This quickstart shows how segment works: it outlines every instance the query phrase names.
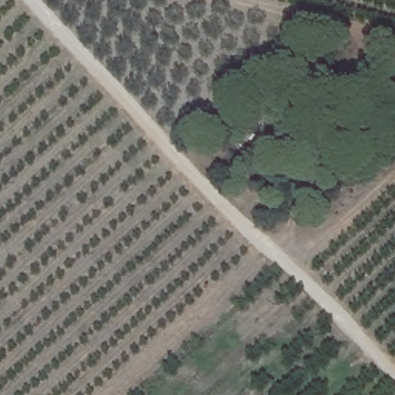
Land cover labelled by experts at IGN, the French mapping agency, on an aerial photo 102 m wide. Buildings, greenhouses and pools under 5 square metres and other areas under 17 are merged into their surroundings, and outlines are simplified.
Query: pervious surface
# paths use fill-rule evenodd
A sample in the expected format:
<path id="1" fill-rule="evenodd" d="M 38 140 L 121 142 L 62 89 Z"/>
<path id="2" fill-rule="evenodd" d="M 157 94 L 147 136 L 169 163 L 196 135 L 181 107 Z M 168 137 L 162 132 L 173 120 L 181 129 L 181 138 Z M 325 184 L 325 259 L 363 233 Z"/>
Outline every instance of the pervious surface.
<path id="1" fill-rule="evenodd" d="M 381 350 L 378 341 L 367 335 L 364 327 L 353 319 L 350 310 L 339 304 L 336 296 L 329 295 L 322 289 L 321 279 L 313 272 L 312 261 L 318 253 L 329 247 L 332 239 L 338 238 L 349 225 L 352 225 L 353 219 L 361 211 L 369 208 L 373 201 L 378 199 L 387 185 L 395 185 L 395 164 L 381 168 L 376 181 L 369 184 L 341 187 L 338 199 L 330 205 L 326 221 L 318 227 L 299 227 L 295 221 L 287 221 L 276 225 L 270 233 L 264 233 L 261 228 L 255 227 L 252 219 L 236 210 L 228 202 L 227 197 L 219 194 L 207 176 L 191 164 L 191 160 L 184 153 L 177 151 L 171 143 L 170 136 L 140 105 L 139 100 L 136 100 L 123 83 L 120 83 L 103 63 L 94 57 L 93 51 L 83 46 L 76 32 L 68 28 L 43 0 L 23 0 L 28 5 L 28 14 L 39 17 L 43 29 L 49 29 L 59 40 L 60 46 L 68 49 L 85 66 L 88 76 L 94 77 L 102 86 L 100 91 L 110 93 L 116 100 L 117 108 L 130 113 L 133 123 L 139 125 L 145 133 L 143 139 L 153 140 L 160 150 L 157 156 L 168 157 L 174 168 L 184 173 L 191 184 L 204 193 L 208 201 L 233 224 L 235 230 L 247 239 L 248 244 L 255 245 L 259 252 L 264 253 L 273 262 L 296 281 L 302 282 L 310 298 L 332 315 L 333 322 L 346 333 L 347 338 L 358 344 L 364 355 L 369 356 L 376 366 L 395 380 L 395 364 L 390 361 L 389 353 Z"/>
<path id="2" fill-rule="evenodd" d="M 272 11 L 272 0 L 228 0 L 231 8 L 239 11 L 259 8 L 265 12 Z"/>

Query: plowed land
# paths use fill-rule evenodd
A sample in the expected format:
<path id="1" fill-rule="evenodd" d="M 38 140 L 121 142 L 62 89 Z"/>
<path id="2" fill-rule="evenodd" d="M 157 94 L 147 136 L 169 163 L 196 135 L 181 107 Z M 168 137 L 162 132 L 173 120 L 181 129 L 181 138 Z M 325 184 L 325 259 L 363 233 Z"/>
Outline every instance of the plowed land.
<path id="1" fill-rule="evenodd" d="M 128 390 L 134 389 L 140 381 L 150 378 L 154 370 L 162 366 L 160 361 L 167 358 L 167 353 L 170 350 L 176 352 L 177 347 L 181 346 L 182 341 L 191 335 L 191 332 L 202 332 L 210 324 L 218 322 L 221 313 L 228 312 L 233 307 L 231 296 L 242 295 L 244 282 L 253 281 L 264 265 L 273 262 L 264 253 L 259 252 L 255 245 L 248 244 L 247 239 L 235 230 L 230 241 L 219 247 L 218 252 L 214 253 L 205 265 L 197 268 L 197 272 L 179 289 L 174 290 L 167 301 L 151 310 L 150 315 L 119 339 L 116 346 L 100 356 L 96 366 L 80 372 L 79 378 L 62 395 L 88 395 L 86 386 L 94 383 L 94 378 L 102 375 L 106 367 L 113 366 L 113 361 L 120 358 L 122 352 L 128 355 L 127 363 L 120 366 L 102 386 L 94 389 L 91 395 L 127 395 Z M 193 304 L 185 307 L 182 315 L 176 316 L 173 322 L 160 329 L 145 346 L 140 347 L 139 353 L 134 353 L 131 344 L 139 341 L 140 336 L 148 332 L 148 327 L 156 326 L 157 321 L 165 316 L 168 310 L 176 309 L 176 304 L 184 301 L 185 295 L 194 287 L 201 287 L 202 295 L 194 299 Z"/>
<path id="2" fill-rule="evenodd" d="M 6 26 L 14 23 L 20 12 L 12 6 L 0 19 L 0 34 L 5 32 Z"/>
<path id="3" fill-rule="evenodd" d="M 94 321 L 114 306 L 130 287 L 139 284 L 142 276 L 148 275 L 153 268 L 160 267 L 160 262 L 174 253 L 182 241 L 193 235 L 194 230 L 201 228 L 202 222 L 207 221 L 211 214 L 204 205 L 201 211 L 196 211 L 193 204 L 185 207 L 176 201 L 167 213 L 160 214 L 159 219 L 140 233 L 139 238 L 123 247 L 122 253 L 113 255 L 111 262 L 105 264 L 83 289 L 71 296 L 57 312 L 51 313 L 48 319 L 40 322 L 39 327 L 34 327 L 32 335 L 14 350 L 6 353 L 5 360 L 0 363 L 0 376 L 5 375 L 6 370 L 22 360 L 28 350 L 46 338 L 49 332 L 57 330 L 57 326 L 65 321 L 69 313 L 91 299 L 91 295 L 99 287 L 113 279 L 114 273 L 119 272 L 133 256 L 140 255 L 143 248 L 148 247 L 165 227 L 176 221 L 184 211 L 191 214 L 184 227 L 174 231 L 167 241 L 162 242 L 147 261 L 143 261 L 133 272 L 123 276 L 119 284 L 114 285 L 113 290 L 106 293 L 105 298 L 99 299 L 94 306 L 89 307 L 60 338 L 56 339 L 56 343 L 45 347 L 28 366 L 23 367 L 19 375 L 15 375 L 14 380 L 8 381 L 0 390 L 0 395 L 14 395 L 15 390 L 22 389 L 23 383 L 37 375 L 45 364 L 51 363 L 52 358 L 59 355 L 68 344 L 79 341 L 80 333 L 93 326 Z"/>
<path id="4" fill-rule="evenodd" d="M 131 131 L 113 147 L 108 143 L 108 137 L 116 133 L 122 123 L 130 123 Z M 23 197 L 20 205 L 6 213 L 5 218 L 0 221 L 0 233 L 19 221 L 20 216 L 28 213 L 35 202 L 45 199 L 46 191 L 60 184 L 69 171 L 77 165 L 85 168 L 85 173 L 74 177 L 73 184 L 63 188 L 56 199 L 52 199 L 35 214 L 34 219 L 26 222 L 9 241 L 0 245 L 0 347 L 22 332 L 26 324 L 35 321 L 43 307 L 48 307 L 52 301 L 59 299 L 60 293 L 69 289 L 74 279 L 88 275 L 89 267 L 97 265 L 100 256 L 105 255 L 119 239 L 127 236 L 128 231 L 136 228 L 140 222 L 147 221 L 151 211 L 162 207 L 164 202 L 170 199 L 170 194 L 176 188 L 168 181 L 157 188 L 154 196 L 148 197 L 145 204 L 137 202 L 137 197 L 143 191 L 156 184 L 159 176 L 156 173 L 143 174 L 142 179 L 137 184 L 130 185 L 127 191 L 120 190 L 120 184 L 128 176 L 136 173 L 136 170 L 145 171 L 145 160 L 154 156 L 153 151 L 145 145 L 130 162 L 123 160 L 123 151 L 127 151 L 131 145 L 137 143 L 137 140 L 143 139 L 145 133 L 139 125 L 133 123 L 130 113 L 117 108 L 117 116 L 106 122 L 99 133 L 86 140 L 83 147 L 77 150 L 73 147 L 66 148 L 71 157 L 66 159 L 60 156 L 57 159 L 57 170 L 52 171 L 45 181 L 40 182 L 39 187 L 32 190 L 29 196 Z M 116 162 L 119 162 L 120 170 L 105 184 L 99 185 L 97 191 L 91 191 L 91 182 L 99 179 L 100 174 L 105 173 Z M 42 225 L 48 225 L 49 233 L 29 252 L 26 250 L 25 241 L 34 238 L 35 231 Z M 54 281 L 37 301 L 23 309 L 20 306 L 22 299 L 29 298 L 31 290 L 40 282 L 46 281 L 51 273 L 56 273 L 57 268 L 65 273 L 63 278 Z"/>
<path id="5" fill-rule="evenodd" d="M 15 122 L 11 122 L 9 113 L 17 110 L 20 103 L 31 96 L 37 86 L 54 76 L 57 69 L 62 69 L 63 79 L 28 106 L 25 113 L 20 114 Z M 20 157 L 25 156 L 32 148 L 39 147 L 39 143 L 49 136 L 51 131 L 56 130 L 62 120 L 73 117 L 74 123 L 80 122 L 80 117 L 85 113 L 80 110 L 80 105 L 88 100 L 91 94 L 100 91 L 102 86 L 94 77 L 88 76 L 85 66 L 68 49 L 60 46 L 59 56 L 49 59 L 49 62 L 37 69 L 14 94 L 0 102 L 0 179 L 11 170 L 12 165 L 17 165 Z"/>
<path id="6" fill-rule="evenodd" d="M 140 309 L 151 302 L 151 299 L 159 296 L 160 290 L 167 289 L 167 285 L 173 279 L 179 278 L 182 272 L 190 267 L 191 262 L 197 261 L 214 241 L 225 235 L 227 228 L 216 221 L 216 225 L 207 235 L 202 236 L 201 241 L 185 250 L 181 258 L 176 259 L 168 267 L 168 272 L 162 273 L 153 284 L 145 285 L 131 299 L 130 306 L 123 307 L 102 329 L 89 335 L 88 343 L 74 350 L 57 369 L 49 373 L 46 380 L 40 381 L 39 386 L 32 387 L 25 395 L 48 395 L 57 384 L 65 380 L 68 373 L 80 367 L 80 363 L 88 358 L 89 353 L 100 349 L 103 341 L 110 339 L 123 324 L 130 322 Z"/>

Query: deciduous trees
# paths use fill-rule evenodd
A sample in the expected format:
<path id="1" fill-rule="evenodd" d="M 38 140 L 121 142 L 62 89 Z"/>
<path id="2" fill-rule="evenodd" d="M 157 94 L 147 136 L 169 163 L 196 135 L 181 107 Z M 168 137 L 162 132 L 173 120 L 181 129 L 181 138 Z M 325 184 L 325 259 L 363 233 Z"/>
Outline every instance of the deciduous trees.
<path id="1" fill-rule="evenodd" d="M 20 12 L 14 23 L 6 26 L 5 32 L 0 34 L 0 102 L 14 94 L 37 69 L 49 62 L 49 59 L 59 56 L 60 46 L 59 40 L 49 29 L 43 29 L 39 17 L 28 14 L 28 5 L 23 0 L 0 0 L 0 19 L 12 6 Z"/>
<path id="2" fill-rule="evenodd" d="M 91 295 L 91 299 L 69 313 L 65 321 L 57 326 L 57 330 L 49 332 L 46 338 L 28 350 L 22 360 L 6 370 L 5 375 L 0 376 L 0 390 L 8 381 L 14 380 L 15 375 L 19 375 L 23 367 L 28 366 L 45 347 L 56 343 L 56 339 L 60 338 L 89 307 L 94 306 L 99 299 L 105 298 L 106 293 L 113 290 L 114 285 L 119 284 L 123 276 L 133 272 L 143 261 L 147 261 L 162 242 L 167 241 L 174 231 L 184 227 L 191 214 L 184 211 L 176 221 L 165 227 L 148 247 L 143 248 L 140 255 L 133 256 L 119 272 L 114 273 L 113 279 L 99 287 Z"/>
<path id="3" fill-rule="evenodd" d="M 140 336 L 139 341 L 131 344 L 134 353 L 139 353 L 140 347 L 145 346 L 160 329 L 173 322 L 176 316 L 182 315 L 185 307 L 193 304 L 194 299 L 202 295 L 201 287 L 194 287 L 185 295 L 184 301 L 176 304 L 176 309 L 168 310 L 165 316 L 157 321 L 156 326 L 148 327 L 148 332 Z"/>
<path id="4" fill-rule="evenodd" d="M 29 252 L 49 233 L 48 225 L 42 225 L 35 231 L 34 238 L 25 241 L 26 250 Z"/>
<path id="5" fill-rule="evenodd" d="M 73 184 L 74 177 L 85 173 L 85 168 L 77 165 L 69 171 L 60 184 L 46 191 L 45 199 L 35 202 L 28 213 L 20 216 L 19 221 L 0 233 L 0 245 L 9 241 L 26 222 L 34 219 L 35 214 L 52 199 L 56 199 L 63 188 Z"/>
<path id="6" fill-rule="evenodd" d="M 310 298 L 302 282 L 296 281 L 273 262 L 264 265 L 253 281 L 244 282 L 242 295 L 231 296 L 233 307 L 228 312 L 221 313 L 218 322 L 210 324 L 202 332 L 191 332 L 191 335 L 182 341 L 181 346 L 177 347 L 176 352 L 170 350 L 167 353 L 167 358 L 160 361 L 162 366 L 154 370 L 150 378 L 140 381 L 134 389 L 128 390 L 127 395 L 395 395 L 395 380 L 376 366 L 369 356 L 364 355 L 358 344 L 347 338 L 346 333 L 333 322 L 332 315 Z"/>
<path id="7" fill-rule="evenodd" d="M 40 282 L 31 290 L 29 298 L 22 299 L 20 306 L 23 309 L 37 301 L 54 281 L 63 278 L 65 273 L 57 268 L 56 273 L 51 273 L 46 281 Z"/>
<path id="8" fill-rule="evenodd" d="M 120 170 L 119 162 L 116 162 L 105 173 L 100 174 L 99 179 L 91 182 L 91 191 L 97 191 L 99 185 L 105 184 Z"/>
<path id="9" fill-rule="evenodd" d="M 22 389 L 15 390 L 14 395 L 25 395 L 32 387 L 39 386 L 40 381 L 46 380 L 49 373 L 57 369 L 74 350 L 88 343 L 89 335 L 102 329 L 123 307 L 130 306 L 131 299 L 145 285 L 153 284 L 162 273 L 168 272 L 168 267 L 176 259 L 181 258 L 185 250 L 201 241 L 202 236 L 207 235 L 216 225 L 216 221 L 227 228 L 225 235 L 214 241 L 197 261 L 191 262 L 190 267 L 182 272 L 179 278 L 173 279 L 167 285 L 167 289 L 160 290 L 159 296 L 151 299 L 151 302 L 140 309 L 130 322 L 123 324 L 110 339 L 103 341 L 100 349 L 89 353 L 88 358 L 80 363 L 80 367 L 68 373 L 65 380 L 57 384 L 48 395 L 62 395 L 79 378 L 80 372 L 96 366 L 100 356 L 116 346 L 119 339 L 150 315 L 151 310 L 167 301 L 174 290 L 179 289 L 197 272 L 197 268 L 205 265 L 214 253 L 218 252 L 219 247 L 230 241 L 235 230 L 233 224 L 208 201 L 204 193 L 191 184 L 184 173 L 174 168 L 168 157 L 157 156 L 160 150 L 153 140 L 143 139 L 137 140 L 137 143 L 131 145 L 127 151 L 123 151 L 123 160 L 130 162 L 145 145 L 153 151 L 154 156 L 145 160 L 145 171 L 136 170 L 136 173 L 128 176 L 120 184 L 120 190 L 127 191 L 130 185 L 137 184 L 142 179 L 143 174 L 156 173 L 159 176 L 156 184 L 143 191 L 137 197 L 137 202 L 145 204 L 148 197 L 154 196 L 157 188 L 168 181 L 176 188 L 170 194 L 170 199 L 164 202 L 162 207 L 151 211 L 147 221 L 140 222 L 136 228 L 128 231 L 127 236 L 119 239 L 105 255 L 100 256 L 97 265 L 89 267 L 88 275 L 74 279 L 69 289 L 60 293 L 59 299 L 52 301 L 48 307 L 43 307 L 35 321 L 26 324 L 22 332 L 0 347 L 0 363 L 5 360 L 6 353 L 14 350 L 32 335 L 34 327 L 39 327 L 40 322 L 48 319 L 51 313 L 57 312 L 71 296 L 83 289 L 105 264 L 111 262 L 113 255 L 122 253 L 123 247 L 139 238 L 140 233 L 159 219 L 160 214 L 167 213 L 176 201 L 185 207 L 193 204 L 196 211 L 201 211 L 204 205 L 211 214 L 207 221 L 202 222 L 201 228 L 194 230 L 193 235 L 182 241 L 174 253 L 160 262 L 160 267 L 153 268 L 148 275 L 142 276 L 139 284 L 130 287 L 114 306 L 94 321 L 93 326 L 80 333 L 79 341 L 68 344 L 59 355 L 52 358 L 51 363 L 45 364 L 37 375 L 23 383 Z"/>
<path id="10" fill-rule="evenodd" d="M 117 108 L 116 100 L 110 93 L 100 91 L 91 94 L 88 100 L 80 105 L 80 110 L 85 113 L 80 117 L 80 122 L 74 123 L 73 117 L 62 120 L 56 130 L 51 131 L 49 136 L 39 143 L 39 147 L 32 148 L 25 156 L 20 157 L 17 165 L 12 165 L 11 170 L 0 179 L 0 221 L 5 218 L 6 213 L 20 205 L 23 197 L 29 196 L 32 190 L 39 187 L 40 182 L 45 181 L 52 171 L 57 170 L 57 159 L 60 156 L 66 159 L 71 157 L 66 148 L 73 147 L 77 150 L 83 147 L 86 140 L 99 133 L 106 122 L 117 116 Z"/>
<path id="11" fill-rule="evenodd" d="M 381 168 L 395 164 L 395 0 L 272 0 L 272 11 L 265 12 L 259 8 L 239 11 L 231 8 L 228 0 L 43 0 L 68 28 L 76 32 L 83 46 L 93 51 L 94 57 L 103 63 L 120 83 L 123 83 L 136 100 L 139 100 L 140 105 L 170 136 L 171 143 L 177 151 L 184 153 L 191 160 L 191 164 L 207 176 L 219 194 L 227 197 L 228 202 L 236 210 L 252 219 L 255 227 L 261 228 L 264 233 L 270 233 L 276 225 L 287 221 L 295 221 L 299 227 L 318 227 L 326 221 L 330 205 L 338 199 L 341 187 L 369 184 L 376 181 Z"/>
<path id="12" fill-rule="evenodd" d="M 116 133 L 108 137 L 108 143 L 113 147 L 131 131 L 130 123 L 122 123 Z"/>
<path id="13" fill-rule="evenodd" d="M 321 279 L 322 289 L 329 295 L 336 296 L 339 304 L 350 310 L 353 319 L 364 327 L 367 335 L 378 341 L 381 350 L 389 353 L 390 361 L 395 364 L 395 185 L 387 185 L 378 199 L 373 201 L 369 208 L 361 211 L 353 219 L 352 225 L 349 225 L 338 238 L 332 239 L 329 247 L 318 253 L 312 261 L 313 272 Z"/>
<path id="14" fill-rule="evenodd" d="M 102 375 L 94 378 L 94 383 L 86 386 L 88 395 L 91 395 L 94 389 L 102 386 L 120 366 L 127 363 L 128 355 L 122 352 L 120 358 L 113 361 L 113 366 L 106 367 Z"/>
<path id="15" fill-rule="evenodd" d="M 28 106 L 63 79 L 62 69 L 57 69 L 54 76 L 37 86 L 31 96 L 20 103 L 17 110 L 9 113 L 11 122 L 15 122 L 20 114 L 25 113 Z"/>

